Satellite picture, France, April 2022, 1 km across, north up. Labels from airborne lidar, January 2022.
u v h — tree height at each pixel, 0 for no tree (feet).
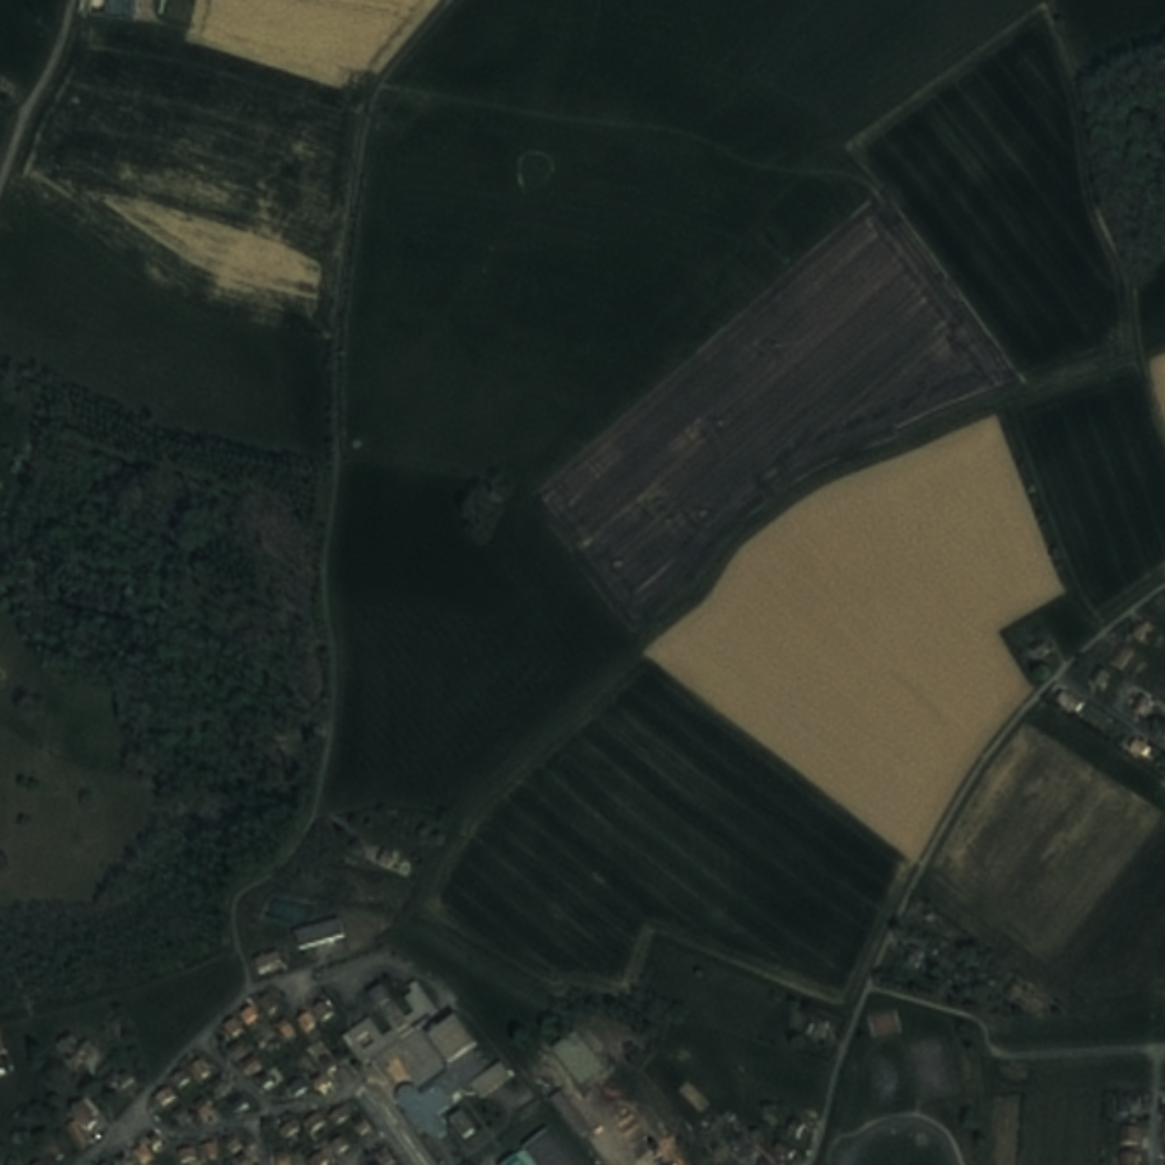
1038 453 0
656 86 0
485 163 0
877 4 0
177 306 0
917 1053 0
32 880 0
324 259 0
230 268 0
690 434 0
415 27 0
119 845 0
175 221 0
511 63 0
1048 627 0
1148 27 0
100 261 0
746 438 0
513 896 0
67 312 0
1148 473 0
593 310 0
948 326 0
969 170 0
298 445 0
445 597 0
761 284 0
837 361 0
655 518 0
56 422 58
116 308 0
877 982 26
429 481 0
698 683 0
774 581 0
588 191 0
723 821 0
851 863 0
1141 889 0
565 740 0
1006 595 0
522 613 0
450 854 0
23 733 0
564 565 0
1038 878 0
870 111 0
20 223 0
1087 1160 0
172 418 0
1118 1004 0
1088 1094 0
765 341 0
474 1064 0
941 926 0
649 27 0
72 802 0
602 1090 0
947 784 0
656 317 0
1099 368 0
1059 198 0
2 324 0
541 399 0
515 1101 0
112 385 0
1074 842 0
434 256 0
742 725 0
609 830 0
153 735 43
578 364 0
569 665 0
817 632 0
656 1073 0
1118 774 0
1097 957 0
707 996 0
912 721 0
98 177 0
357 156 0
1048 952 0
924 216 0
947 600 0
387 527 0
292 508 77
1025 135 0
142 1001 0
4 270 0
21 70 0
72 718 0
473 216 0
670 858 0
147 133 0
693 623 0
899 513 0
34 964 58
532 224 0
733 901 0
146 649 70
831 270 0
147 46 0
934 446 0
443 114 0
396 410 0
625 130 0
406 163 0
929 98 0
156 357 0
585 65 0
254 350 0
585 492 0
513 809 0
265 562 88
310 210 0
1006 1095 0
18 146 0
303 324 0
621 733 0
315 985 0
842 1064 0
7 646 0
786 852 0
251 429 0
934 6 0
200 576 66
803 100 0
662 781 0
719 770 0
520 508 0
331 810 0
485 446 0
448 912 0
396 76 0
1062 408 0
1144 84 99
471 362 0
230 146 0
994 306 0
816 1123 0
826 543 0
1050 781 0
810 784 0
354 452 0
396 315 0
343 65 0
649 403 0
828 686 0
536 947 0
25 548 71
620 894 0
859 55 0
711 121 0
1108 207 65
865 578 0
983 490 0
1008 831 0
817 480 0
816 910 0
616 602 0
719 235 0
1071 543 0
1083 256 0
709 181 0
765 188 0
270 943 0
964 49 0
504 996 0
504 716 0
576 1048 0
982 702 0
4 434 0
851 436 0
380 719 0
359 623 0
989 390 0
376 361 0
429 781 0
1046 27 0
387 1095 0
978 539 0
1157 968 0
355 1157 0
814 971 0
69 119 0
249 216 0
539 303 0
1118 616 0
